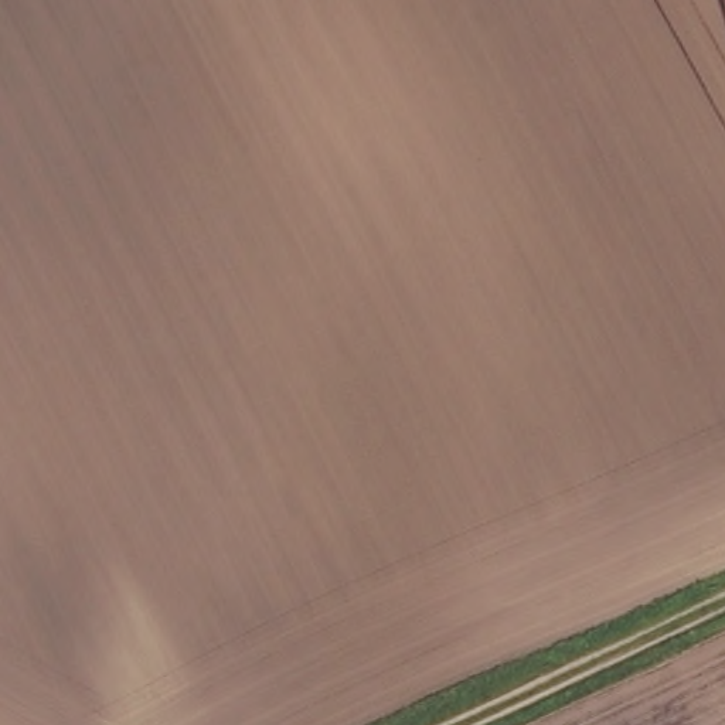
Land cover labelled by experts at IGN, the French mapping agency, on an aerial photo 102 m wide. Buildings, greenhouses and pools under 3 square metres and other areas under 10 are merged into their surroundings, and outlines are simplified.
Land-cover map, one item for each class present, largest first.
<instances>
[{"label":"agricultural land","instance_id":"1","mask_svg":"<svg viewBox=\"0 0 725 725\"><path fill-rule=\"evenodd\" d=\"M725 569V0H0V725H368L470 674H479L504 660H515L527 651L544 649L566 634L620 617L634 606H643L660 595H668L680 586H688L700 578Z\"/></svg>","mask_w":725,"mask_h":725},{"label":"herbaceous vegetation","instance_id":"2","mask_svg":"<svg viewBox=\"0 0 725 725\"><path fill-rule=\"evenodd\" d=\"M725 589V569L700 578L688 586H680L668 595H660L643 606H634L620 617L566 634L544 649L527 651L515 660H504L479 674H470L368 725H433L513 685H521L549 668H558L566 660H575L598 646H606L657 617H666ZM725 632V615L705 620L702 626L685 634L663 640L654 649H646L490 725H530L547 714H555L595 691L629 680Z\"/></svg>","mask_w":725,"mask_h":725},{"label":"plowed land","instance_id":"3","mask_svg":"<svg viewBox=\"0 0 725 725\"><path fill-rule=\"evenodd\" d=\"M530 725H725V632L629 680L595 691L555 714H547Z\"/></svg>","mask_w":725,"mask_h":725},{"label":"pervious surface","instance_id":"4","mask_svg":"<svg viewBox=\"0 0 725 725\"><path fill-rule=\"evenodd\" d=\"M725 615V589L666 617H657L606 646H598L575 660H566L558 668H549L521 685H513L433 725H490L646 649H654L663 640L685 634L702 626L705 620Z\"/></svg>","mask_w":725,"mask_h":725}]
</instances>
